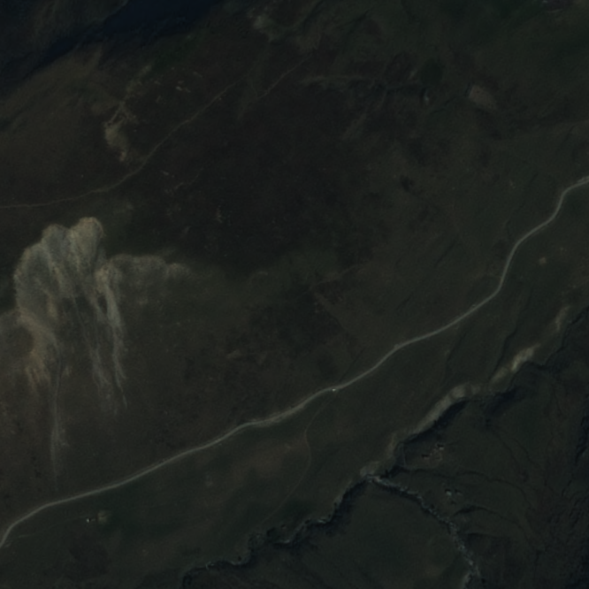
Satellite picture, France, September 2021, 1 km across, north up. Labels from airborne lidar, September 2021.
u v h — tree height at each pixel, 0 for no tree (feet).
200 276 0
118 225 0
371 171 0
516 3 0
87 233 0
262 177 0
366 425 0
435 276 0
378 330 0
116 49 0
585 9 0
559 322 0
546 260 0
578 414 0
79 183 0
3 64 0
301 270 0
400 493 20
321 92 0
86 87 0
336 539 0
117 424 0
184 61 0
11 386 0
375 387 0
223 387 0
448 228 0
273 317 0
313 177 0
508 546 0
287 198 0
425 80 0
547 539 0
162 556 0
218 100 0
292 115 0
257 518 0
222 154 0
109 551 0
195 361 0
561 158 0
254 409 0
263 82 0
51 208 0
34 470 0
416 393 0
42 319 0
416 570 0
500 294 0
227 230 0
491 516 0
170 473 0
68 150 0
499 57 0
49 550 0
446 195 0
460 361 0
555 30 0
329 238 0
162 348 0
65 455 0
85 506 0
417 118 0
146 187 0
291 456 0
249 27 0
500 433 0
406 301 0
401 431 0
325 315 0
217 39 0
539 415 0
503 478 0
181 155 0
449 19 0
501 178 0
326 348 0
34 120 0
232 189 0
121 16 0
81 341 0
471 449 0
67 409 0
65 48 0
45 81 0
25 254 0
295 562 0
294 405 0
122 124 0
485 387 0
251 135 0
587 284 0
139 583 0
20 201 0
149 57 0
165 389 0
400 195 0
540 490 0
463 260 0
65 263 0
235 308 0
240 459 0
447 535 0
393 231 0
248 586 0
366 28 0
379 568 0
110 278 0
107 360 0
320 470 0
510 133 0
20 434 0
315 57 0
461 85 0
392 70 0
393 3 0
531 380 0
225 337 0
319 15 0
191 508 0
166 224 0
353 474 0
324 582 0
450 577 0
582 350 0
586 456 0
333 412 0
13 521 0
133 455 0
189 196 0
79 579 0
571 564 0
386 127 0
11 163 0
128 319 0
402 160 0
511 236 0
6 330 0
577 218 0
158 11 0
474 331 0
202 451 0
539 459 0
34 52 0
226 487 0
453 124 0
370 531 0
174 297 0
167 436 0
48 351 0
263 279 0
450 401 0
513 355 0
